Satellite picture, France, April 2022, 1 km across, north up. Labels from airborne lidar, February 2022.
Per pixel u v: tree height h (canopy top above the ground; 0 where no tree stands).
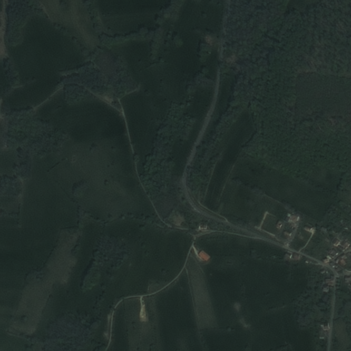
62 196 0
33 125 24
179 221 0
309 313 18
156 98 0
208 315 0
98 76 25
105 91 9
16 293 0
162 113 0
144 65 0
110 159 0
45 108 0
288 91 24
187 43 0
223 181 0
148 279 0
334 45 28
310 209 0
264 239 0
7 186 21
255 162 0
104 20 0
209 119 0
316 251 0
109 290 0
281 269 0
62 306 0
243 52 32
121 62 24
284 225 0
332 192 6
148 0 0
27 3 27
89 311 0
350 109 11
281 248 0
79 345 21
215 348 0
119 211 0
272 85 24
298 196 0
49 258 6
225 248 0
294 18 26
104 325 0
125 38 11
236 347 0
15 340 0
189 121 12
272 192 0
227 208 0
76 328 24
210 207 0
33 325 0
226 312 0
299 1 0
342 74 25
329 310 6
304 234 0
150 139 0
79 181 0
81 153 0
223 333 0
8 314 0
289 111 26
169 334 0
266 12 32
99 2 0
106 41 23
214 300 0
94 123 0
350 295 8
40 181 0
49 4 0
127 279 0
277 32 10
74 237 0
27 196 0
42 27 0
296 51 24
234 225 0
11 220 0
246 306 0
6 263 0
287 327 0
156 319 0
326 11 23
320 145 26
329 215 6
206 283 0
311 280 7
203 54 23
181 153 0
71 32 0
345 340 0
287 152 21
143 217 9
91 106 0
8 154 0
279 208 0
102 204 0
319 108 9
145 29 22
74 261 0
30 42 0
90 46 0
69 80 20
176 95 0
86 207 0
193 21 0
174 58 0
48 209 0
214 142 14
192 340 0
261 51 22
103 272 0
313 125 27
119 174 0
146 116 0
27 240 0
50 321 0
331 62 29
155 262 0
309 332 0
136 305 0
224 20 0
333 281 0
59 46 0
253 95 28
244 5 28
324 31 26
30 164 23
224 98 0
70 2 0
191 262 0
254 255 12
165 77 0
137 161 14
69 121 0
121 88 16
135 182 0
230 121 16
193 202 0
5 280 0
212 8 0
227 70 11
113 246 21
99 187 0
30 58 0
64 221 0
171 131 11
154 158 14
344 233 7
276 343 0
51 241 0
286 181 0
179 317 0
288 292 0
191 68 0
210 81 20
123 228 0
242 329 0
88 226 0
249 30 28
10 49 0
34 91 0
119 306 0
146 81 0
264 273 0
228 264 0
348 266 0
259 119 22
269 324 0
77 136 0
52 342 22
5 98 0
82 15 0
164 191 22
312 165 20
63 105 0
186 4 0
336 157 24
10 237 0
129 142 0
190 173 11
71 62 0
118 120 0
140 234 0
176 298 0
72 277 0
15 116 25
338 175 0
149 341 0
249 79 31
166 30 0
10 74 21
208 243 0
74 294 0
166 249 0
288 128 24
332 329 0
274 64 27
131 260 0
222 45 0
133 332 0
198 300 0
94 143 0
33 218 0
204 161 11
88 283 21
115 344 0
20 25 20
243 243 0
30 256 0
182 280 0
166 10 10
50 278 0
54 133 7
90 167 0
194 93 13
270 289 0
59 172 0
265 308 0
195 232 13
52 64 0
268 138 20
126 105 0
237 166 0
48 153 6
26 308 0
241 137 0
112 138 0
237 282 0
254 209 0
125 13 0
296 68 26
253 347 0
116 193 0
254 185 0
